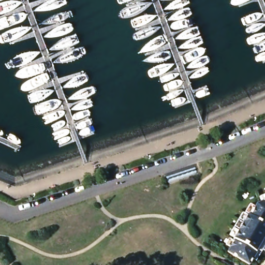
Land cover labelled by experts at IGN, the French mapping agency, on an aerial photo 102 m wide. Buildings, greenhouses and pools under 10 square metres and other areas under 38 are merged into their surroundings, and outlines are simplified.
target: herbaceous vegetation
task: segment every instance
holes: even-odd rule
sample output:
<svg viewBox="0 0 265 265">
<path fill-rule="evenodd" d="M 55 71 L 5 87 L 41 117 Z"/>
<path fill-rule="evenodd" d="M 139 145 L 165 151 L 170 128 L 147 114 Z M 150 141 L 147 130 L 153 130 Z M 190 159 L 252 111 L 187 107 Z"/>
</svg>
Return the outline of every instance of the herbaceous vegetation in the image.
<svg viewBox="0 0 265 265">
<path fill-rule="evenodd" d="M 29 232 L 58 225 L 59 230 L 48 240 L 29 243 L 51 254 L 77 252 L 116 225 L 116 220 L 104 214 L 101 207 L 106 207 L 118 217 L 139 214 L 167 215 L 177 223 L 187 225 L 190 235 L 203 243 L 203 237 L 209 237 L 210 234 L 218 235 L 220 240 L 225 241 L 231 236 L 233 220 L 245 211 L 249 203 L 259 202 L 260 196 L 265 194 L 265 136 L 239 146 L 230 153 L 201 161 L 201 173 L 197 165 L 189 165 L 167 172 L 164 176 L 159 175 L 114 190 L 113 196 L 104 201 L 97 202 L 95 198 L 90 198 L 23 219 L 18 223 L 0 217 L 0 265 L 199 265 L 199 246 L 187 239 L 167 220 L 156 217 L 129 220 L 88 252 L 70 258 L 55 259 L 38 255 L 31 249 L 9 240 L 10 237 L 14 237 L 27 242 Z"/>
</svg>

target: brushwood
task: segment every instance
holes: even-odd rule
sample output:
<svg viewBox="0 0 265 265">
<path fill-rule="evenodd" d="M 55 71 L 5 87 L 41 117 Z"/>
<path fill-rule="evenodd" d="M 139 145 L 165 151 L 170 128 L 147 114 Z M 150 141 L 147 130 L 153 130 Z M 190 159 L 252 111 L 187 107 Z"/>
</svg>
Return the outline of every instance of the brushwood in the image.
<svg viewBox="0 0 265 265">
<path fill-rule="evenodd" d="M 200 134 L 194 142 L 154 153 L 152 157 L 156 160 L 166 156 L 180 157 L 188 147 L 206 148 L 209 144 L 222 141 L 219 127 L 214 126 L 209 130 L 209 134 Z"/>
<path fill-rule="evenodd" d="M 27 242 L 29 243 L 48 240 L 59 230 L 58 225 L 29 232 Z"/>
<path fill-rule="evenodd" d="M 21 199 L 13 198 L 0 190 L 0 201 L 14 206 L 34 204 L 38 199 L 54 195 L 61 190 L 75 190 L 75 185 L 71 181 L 66 182 L 40 190 L 35 196 L 30 195 Z"/>
<path fill-rule="evenodd" d="M 218 235 L 210 234 L 209 237 L 203 237 L 203 243 L 208 248 L 207 251 L 203 251 L 203 247 L 199 246 L 199 265 L 246 265 L 228 253 L 225 241 L 220 240 Z"/>
</svg>

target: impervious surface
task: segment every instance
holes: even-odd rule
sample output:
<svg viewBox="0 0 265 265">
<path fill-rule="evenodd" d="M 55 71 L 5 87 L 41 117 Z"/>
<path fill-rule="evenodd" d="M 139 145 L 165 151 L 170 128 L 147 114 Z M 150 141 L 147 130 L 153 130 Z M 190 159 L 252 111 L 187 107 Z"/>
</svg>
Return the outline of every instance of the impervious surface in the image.
<svg viewBox="0 0 265 265">
<path fill-rule="evenodd" d="M 81 158 L 77 150 L 52 157 L 50 160 L 42 160 L 40 164 L 30 167 L 22 166 L 14 170 L 13 176 L 0 171 L 0 190 L 13 198 L 21 199 L 30 195 L 35 196 L 40 190 L 66 182 L 71 181 L 75 185 L 75 190 L 61 190 L 54 195 L 38 199 L 34 204 L 14 206 L 0 201 L 0 217 L 18 223 L 23 219 L 90 198 L 95 198 L 97 202 L 104 201 L 113 196 L 114 190 L 159 175 L 164 176 L 167 172 L 189 165 L 197 165 L 201 173 L 201 161 L 230 153 L 239 146 L 265 136 L 265 83 L 259 83 L 254 88 L 248 87 L 233 97 L 228 95 L 223 101 L 211 104 L 207 108 L 209 115 L 206 117 L 203 130 L 197 128 L 198 120 L 193 110 L 186 115 L 173 116 L 170 121 L 152 122 L 148 123 L 149 127 L 132 132 L 126 131 L 125 136 L 117 135 L 114 139 L 102 139 L 93 144 L 91 149 L 94 152 L 88 160 L 86 157 Z M 194 142 L 200 134 L 209 134 L 209 130 L 214 126 L 219 127 L 222 141 L 209 144 L 206 148 L 188 147 L 180 157 L 166 156 L 156 160 L 152 157 L 154 153 Z"/>
</svg>

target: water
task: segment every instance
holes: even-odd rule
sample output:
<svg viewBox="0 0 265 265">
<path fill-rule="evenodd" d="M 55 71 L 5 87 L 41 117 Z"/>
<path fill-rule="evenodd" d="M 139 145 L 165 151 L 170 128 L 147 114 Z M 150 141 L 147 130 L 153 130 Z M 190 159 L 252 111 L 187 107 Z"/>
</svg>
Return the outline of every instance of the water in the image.
<svg viewBox="0 0 265 265">
<path fill-rule="evenodd" d="M 193 110 L 198 120 L 197 128 L 203 130 L 206 117 L 209 115 L 207 108 L 211 104 L 223 101 L 228 95 L 233 97 L 248 87 L 254 88 L 259 83 L 265 83 L 265 0 L 0 0 L 0 171 L 13 176 L 14 170 L 22 166 L 30 167 L 40 164 L 42 160 L 50 160 L 52 157 L 77 150 L 81 158 L 86 157 L 88 160 L 94 152 L 91 149 L 93 144 L 102 139 L 114 139 L 117 135 L 125 136 L 126 131 L 132 132 L 149 127 L 148 123 L 152 122 L 170 121 L 173 116 L 186 115 Z"/>
</svg>

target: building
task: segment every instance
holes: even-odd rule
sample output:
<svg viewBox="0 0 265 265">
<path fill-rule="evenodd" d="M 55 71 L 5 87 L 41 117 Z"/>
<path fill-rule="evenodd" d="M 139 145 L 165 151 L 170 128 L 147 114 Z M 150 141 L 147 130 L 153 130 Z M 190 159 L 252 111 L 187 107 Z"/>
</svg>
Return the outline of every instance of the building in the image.
<svg viewBox="0 0 265 265">
<path fill-rule="evenodd" d="M 228 253 L 246 265 L 265 265 L 265 194 L 260 196 L 259 202 L 249 203 L 245 211 L 233 220 L 231 236 L 225 241 Z"/>
</svg>

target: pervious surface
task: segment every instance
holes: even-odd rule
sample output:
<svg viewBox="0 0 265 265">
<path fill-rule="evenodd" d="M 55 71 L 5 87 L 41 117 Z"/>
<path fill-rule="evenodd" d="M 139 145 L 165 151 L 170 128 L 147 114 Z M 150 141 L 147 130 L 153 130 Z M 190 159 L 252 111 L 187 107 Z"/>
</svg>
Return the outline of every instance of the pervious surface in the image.
<svg viewBox="0 0 265 265">
<path fill-rule="evenodd" d="M 208 248 L 203 243 L 190 235 L 187 225 L 177 223 L 167 215 L 139 214 L 118 217 L 106 207 L 101 207 L 104 214 L 116 220 L 116 225 L 77 252 L 51 254 L 29 243 L 27 242 L 14 237 L 10 237 L 9 240 L 31 249 L 38 255 L 55 259 L 70 258 L 88 252 L 129 220 L 156 217 L 167 220 L 187 239 L 199 246 L 203 247 L 203 251 L 207 251 Z"/>
</svg>

